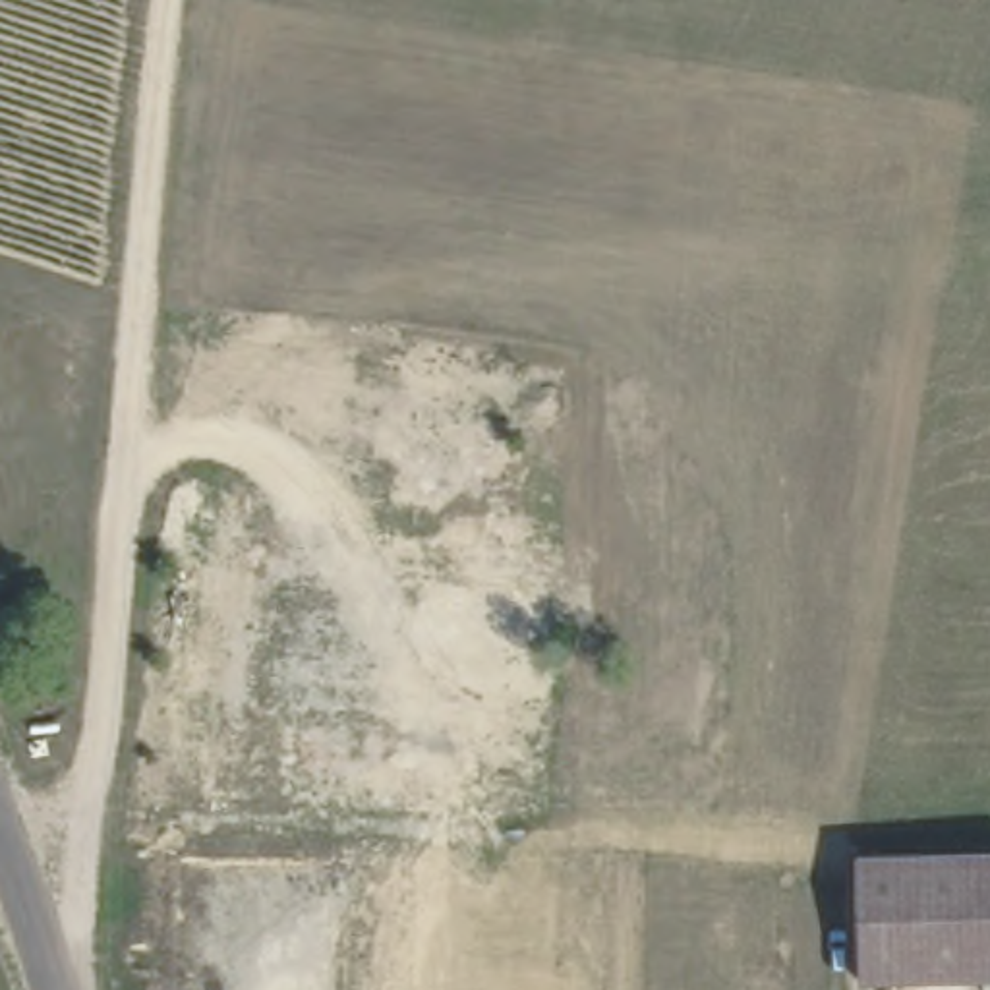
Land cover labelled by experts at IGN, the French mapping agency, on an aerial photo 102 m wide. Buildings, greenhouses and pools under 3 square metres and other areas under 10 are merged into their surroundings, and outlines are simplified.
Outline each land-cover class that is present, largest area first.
<instances>
[{"label":"agricultural land","instance_id":"1","mask_svg":"<svg viewBox=\"0 0 990 990\"><path fill-rule=\"evenodd\" d=\"M197 309L217 313L224 321L228 309H244L286 313L313 325H418L425 340L476 344L480 371L561 367L565 379H538L522 387L514 398L526 406H538L541 398L557 402L553 429L561 433V449L549 472L561 476L565 491V545H596L599 557L592 568V615L603 619L615 630V638L642 661L634 688L615 692L607 681L596 677V669L588 657L572 654L568 704L549 692V708L541 715V723L549 727V746L541 770L534 773L530 797L541 801V812L553 820V828L576 820L584 785H611L623 789L630 801L673 797L684 808L692 804V812L704 820L739 812L797 816L801 828L816 839L812 866L820 928H855L859 859L990 855V0H182L159 220V313Z\"/></svg>","mask_w":990,"mask_h":990},{"label":"herbaceous vegetation","instance_id":"2","mask_svg":"<svg viewBox=\"0 0 990 990\"><path fill-rule=\"evenodd\" d=\"M120 302L101 286L70 282L0 259V607L15 599L31 603L39 596H50L77 607L89 623ZM538 379H565L561 367L480 371L476 344L425 340L418 325H313L286 313L244 309H228L224 321L217 313L197 309L159 313L151 344L155 422H170V414L186 422L240 414L302 445L360 499H367L375 530L402 534L422 545L418 557L398 561L394 580L406 603L418 607L422 592L433 580L464 588L476 603L487 607L495 630H503L530 654L545 650L549 642L568 646L572 654L588 657L596 669L607 661L615 638V630L603 619L592 615V568L599 557L596 545H565V491L561 476L549 472L561 449V433L553 429L557 402L541 398L538 406H526L514 398L522 387ZM186 483L201 487V503L186 526L189 541L174 553L178 588L155 599L151 611H139L131 603L120 746L101 828L93 990H224L217 971L193 947V940L209 928L205 889L213 886L209 870L217 859H313L321 866L317 874H286V886L306 893L309 901L329 893L340 909L329 990H387L371 967L383 909L367 893V886L391 874L394 855H425L429 839L414 835L418 824H429V812L379 808L371 789L352 793L340 777L348 762L364 758L367 735L383 739V762L398 754V723L371 715L379 708V692L371 684V646L348 634L336 611V596L317 584V572L306 565L302 549L275 518L267 491L240 468L217 460H182L170 472H162L143 499L135 561L143 568H159L170 553L162 549V522L174 491ZM549 708V692L507 704L510 731L495 743V754L476 766V785H483V797H464L449 808V820L480 831L483 870L503 866L526 889H538L545 878L557 886L553 967L576 963L580 975L592 982L588 990H839L859 963L855 928H820L812 866L723 862L700 855L607 847L599 839V828L607 820L634 828H665L704 820L692 812V804L684 808L673 797L630 801L623 789L611 785H584L576 820L553 828V820L541 812V801L530 797L534 773L541 770L549 746V727L541 723V715ZM85 700H43L31 712L0 704V754L12 758L15 773L27 789H50L58 777L70 773L81 743Z\"/></svg>","mask_w":990,"mask_h":990},{"label":"pervious surface","instance_id":"3","mask_svg":"<svg viewBox=\"0 0 990 990\"><path fill-rule=\"evenodd\" d=\"M182 0H151L139 70L120 302L89 623L85 700L81 743L70 773L58 777L50 789H27L15 773L8 777V797L23 820L35 870L58 905L70 978L81 990H93L101 828L120 746L131 603L135 561L143 499L162 472H170L182 460H217L240 468L267 491L275 518L302 549L306 565L317 572V584L336 596V611L348 634L371 646V684L379 692V708L371 715L398 723V754L383 762V739L367 735L364 758L348 762L340 777L352 793L371 789L379 808L429 812V824H418L414 835L429 839L425 855H394L391 874L367 886V893L383 909L371 967L387 990H588L592 982L580 975L576 963L553 967L557 886L545 878L538 889H526L503 866L483 870L480 831L449 820V808L464 797H483V785H476V766L495 754V743L510 731L507 704L549 692L553 681L534 669L530 654L503 630H495L487 607L476 603L464 588L433 580L422 592L418 607L406 603L394 580L398 561L418 557L422 545L402 534L375 530L367 499H360L302 445L240 414L186 422L170 414V422H155L151 344L159 313V220ZM201 503V487L186 483L174 491L162 522V549L170 553H174L189 541L186 526ZM599 839L607 847L700 855L723 862L812 866L816 839L801 828L797 816L739 812L704 820L665 828H634L607 820L599 828ZM321 866L313 859H217L209 870L213 886L205 889L209 928L193 940V947L217 971L224 990H329L340 909L329 893L309 901L306 893L286 886V874H317Z\"/></svg>","mask_w":990,"mask_h":990},{"label":"vineyard","instance_id":"4","mask_svg":"<svg viewBox=\"0 0 990 990\"><path fill-rule=\"evenodd\" d=\"M151 0H0V259L70 282L101 286L120 302L139 70Z\"/></svg>","mask_w":990,"mask_h":990},{"label":"building","instance_id":"5","mask_svg":"<svg viewBox=\"0 0 990 990\"><path fill-rule=\"evenodd\" d=\"M859 963L839 990H990V855L859 859L855 928Z\"/></svg>","mask_w":990,"mask_h":990},{"label":"deciduous trees","instance_id":"6","mask_svg":"<svg viewBox=\"0 0 990 990\"><path fill-rule=\"evenodd\" d=\"M178 588L174 553H170L159 568H143L135 561L131 603L139 611H151L155 599ZM89 623L77 607L50 596H39L31 603L15 599L0 607V704L31 712L43 700H85ZM642 661L615 638L607 661L596 669V677L607 681L615 692L634 688ZM534 669L553 681L549 692L568 704L572 654L568 646L549 642L545 650L530 654Z\"/></svg>","mask_w":990,"mask_h":990},{"label":"impervious surface","instance_id":"7","mask_svg":"<svg viewBox=\"0 0 990 990\"><path fill-rule=\"evenodd\" d=\"M8 777L15 773L12 758L0 754V990H81L70 978L58 905L35 870L23 820L8 797Z\"/></svg>","mask_w":990,"mask_h":990}]
</instances>
